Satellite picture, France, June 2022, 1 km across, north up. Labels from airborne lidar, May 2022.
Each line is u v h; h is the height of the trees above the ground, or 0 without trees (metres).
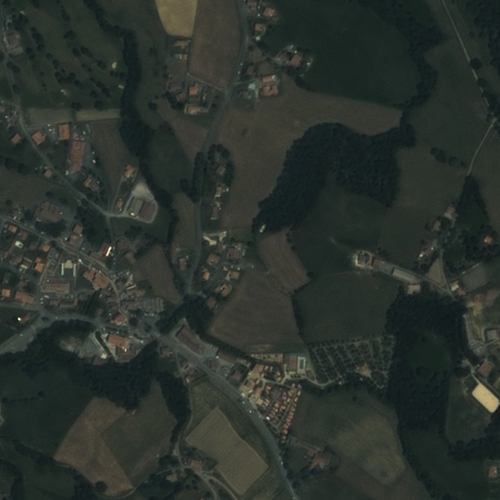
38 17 0
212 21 0
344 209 0
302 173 26
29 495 0
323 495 0
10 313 0
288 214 27
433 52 0
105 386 26
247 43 0
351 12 0
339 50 0
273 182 0
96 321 0
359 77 0
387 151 20
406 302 17
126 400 14
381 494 0
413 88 0
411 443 23
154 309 0
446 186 0
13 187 0
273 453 0
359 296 0
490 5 15
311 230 0
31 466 0
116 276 0
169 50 0
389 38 0
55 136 0
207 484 0
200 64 0
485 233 12
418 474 10
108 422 0
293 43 0
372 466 0
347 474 0
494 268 0
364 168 31
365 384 10
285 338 0
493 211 0
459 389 0
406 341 20
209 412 0
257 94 0
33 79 0
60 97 0
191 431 0
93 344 0
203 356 0
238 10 0
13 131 9
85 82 0
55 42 0
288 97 0
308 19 0
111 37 0
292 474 17
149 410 0
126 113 17
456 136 0
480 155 0
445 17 0
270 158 0
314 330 0
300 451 0
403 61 0
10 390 0
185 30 0
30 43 0
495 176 0
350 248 0
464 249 0
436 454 0
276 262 0
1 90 0
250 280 0
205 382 0
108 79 0
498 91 0
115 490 0
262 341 0
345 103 0
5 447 0
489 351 0
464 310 20
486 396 0
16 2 0
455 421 0
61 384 0
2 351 0
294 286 0
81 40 0
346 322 0
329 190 0
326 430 0
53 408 0
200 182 18
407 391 26
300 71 13
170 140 0
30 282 7
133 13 0
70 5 0
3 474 0
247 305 0
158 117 0
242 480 0
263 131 0
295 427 0
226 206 0
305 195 27
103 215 9
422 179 0
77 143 0
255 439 0
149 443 0
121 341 0
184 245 0
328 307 0
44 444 0
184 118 0
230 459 0
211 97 0
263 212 10
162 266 0
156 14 0
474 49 0
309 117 0
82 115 0
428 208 0
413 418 29
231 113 0
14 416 0
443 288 0
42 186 0
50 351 14
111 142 0
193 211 0
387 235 0
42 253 0
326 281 0
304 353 0
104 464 0
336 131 23
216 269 0
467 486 0
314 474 11
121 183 0
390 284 0
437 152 16
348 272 0
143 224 0
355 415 0
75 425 0
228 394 0
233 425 0
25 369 9
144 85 0
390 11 22
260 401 0
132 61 20
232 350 10
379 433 0
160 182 0
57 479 0
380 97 0
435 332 16
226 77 0
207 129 0
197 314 15
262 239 0
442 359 0
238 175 0
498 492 0
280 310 0
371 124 0
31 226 0
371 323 0
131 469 0
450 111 0
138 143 16
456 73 0
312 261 0
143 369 23
